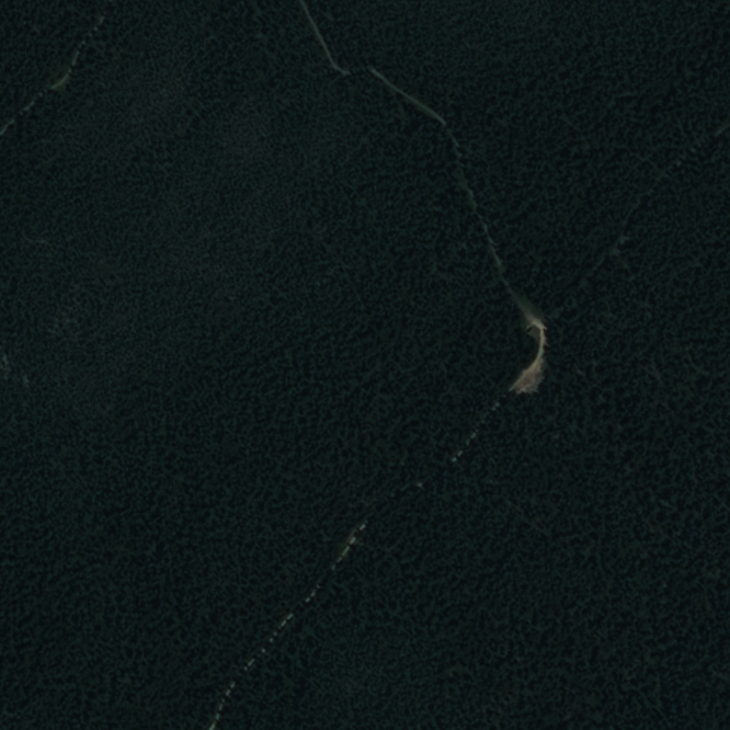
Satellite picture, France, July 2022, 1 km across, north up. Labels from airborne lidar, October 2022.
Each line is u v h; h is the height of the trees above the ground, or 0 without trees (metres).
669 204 20
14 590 24
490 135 26
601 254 18
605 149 20
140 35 6
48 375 14
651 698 18
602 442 22
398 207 20
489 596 12
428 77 13
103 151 11
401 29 16
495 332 28
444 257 30
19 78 8
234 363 13
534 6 11
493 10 14
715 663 15
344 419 18
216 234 15
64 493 20
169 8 17
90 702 6
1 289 18
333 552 19
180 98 9
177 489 12
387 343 9
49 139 17
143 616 17
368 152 19
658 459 23
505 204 31
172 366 13
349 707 13
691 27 17
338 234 20
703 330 25
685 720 20
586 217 29
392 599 33
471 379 24
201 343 16
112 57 22
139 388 23
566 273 20
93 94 8
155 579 25
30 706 20
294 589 11
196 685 22
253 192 18
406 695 15
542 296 17
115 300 9
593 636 9
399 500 22
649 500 27
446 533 20
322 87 16
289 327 18
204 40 18
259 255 9
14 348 19
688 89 28
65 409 13
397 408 10
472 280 12
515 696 22
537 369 0
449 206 31
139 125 8
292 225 13
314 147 10
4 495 15
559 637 15
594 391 6
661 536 13
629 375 16
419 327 26
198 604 23
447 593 14
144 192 18
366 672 15
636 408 25
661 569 25
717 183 19
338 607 22
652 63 17
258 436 20
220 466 25
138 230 16
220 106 17
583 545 30
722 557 12
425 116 18
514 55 16
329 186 15
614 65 7
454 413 23
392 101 27
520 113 23
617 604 17
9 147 26
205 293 16
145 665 16
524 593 13
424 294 22
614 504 21
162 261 13
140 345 12
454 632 21
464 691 18
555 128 17
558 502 20
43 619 13
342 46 18
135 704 23
